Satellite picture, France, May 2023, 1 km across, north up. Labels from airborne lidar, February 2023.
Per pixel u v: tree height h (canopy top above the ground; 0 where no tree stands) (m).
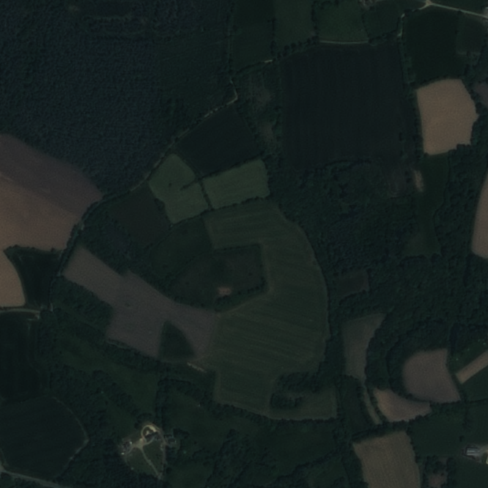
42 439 0
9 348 0
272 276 0
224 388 0
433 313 9
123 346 8
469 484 0
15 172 0
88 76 22
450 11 0
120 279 0
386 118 0
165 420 18
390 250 6
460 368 0
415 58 0
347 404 0
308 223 18
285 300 0
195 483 0
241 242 0
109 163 19
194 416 0
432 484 0
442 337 22
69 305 7
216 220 0
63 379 14
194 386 11
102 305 17
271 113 7
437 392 0
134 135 8
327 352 11
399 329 24
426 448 0
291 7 0
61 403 0
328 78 0
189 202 0
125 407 16
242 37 0
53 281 11
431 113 0
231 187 0
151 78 16
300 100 0
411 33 0
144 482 34
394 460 0
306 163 0
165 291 6
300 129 0
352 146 0
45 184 0
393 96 0
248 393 0
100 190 12
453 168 16
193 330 0
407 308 22
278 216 0
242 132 0
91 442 9
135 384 0
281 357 0
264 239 0
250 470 17
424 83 7
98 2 9
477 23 0
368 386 17
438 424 0
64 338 0
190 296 0
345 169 18
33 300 0
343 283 0
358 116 0
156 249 0
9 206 0
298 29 0
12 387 0
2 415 0
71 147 18
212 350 0
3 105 14
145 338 0
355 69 0
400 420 0
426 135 0
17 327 0
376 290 16
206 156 0
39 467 0
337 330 10
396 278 20
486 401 6
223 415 9
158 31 11
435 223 8
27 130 14
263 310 0
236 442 12
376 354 20
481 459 0
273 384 0
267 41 0
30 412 0
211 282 0
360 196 19
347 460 17
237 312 0
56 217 0
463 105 0
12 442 0
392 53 0
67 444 0
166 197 0
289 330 0
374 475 0
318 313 0
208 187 0
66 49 18
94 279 0
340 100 0
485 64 10
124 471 31
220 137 0
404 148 0
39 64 20
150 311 0
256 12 0
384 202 20
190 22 13
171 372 16
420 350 17
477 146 13
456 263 7
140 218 0
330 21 0
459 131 0
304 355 0
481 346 0
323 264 15
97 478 14
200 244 0
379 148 0
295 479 11
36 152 0
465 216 9
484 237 0
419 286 24
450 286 15
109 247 12
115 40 19
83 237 15
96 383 10
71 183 0
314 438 0
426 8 0
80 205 0
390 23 0
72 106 18
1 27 11
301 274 0
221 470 10
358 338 0
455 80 0
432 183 0
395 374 18
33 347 0
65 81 16
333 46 0
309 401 0
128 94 19
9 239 0
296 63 0
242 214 0
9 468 0
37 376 0
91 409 15
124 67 19
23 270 0
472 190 11
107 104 21
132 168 14
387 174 0
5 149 0
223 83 12
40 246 0
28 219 0
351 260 24
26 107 10
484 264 12
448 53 0
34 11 11
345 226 26
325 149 0
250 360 0
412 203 9
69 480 12
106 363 0
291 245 0
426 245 0
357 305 11
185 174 0
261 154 10
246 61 0
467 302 12
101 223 9
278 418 0
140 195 0
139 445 0
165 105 11
